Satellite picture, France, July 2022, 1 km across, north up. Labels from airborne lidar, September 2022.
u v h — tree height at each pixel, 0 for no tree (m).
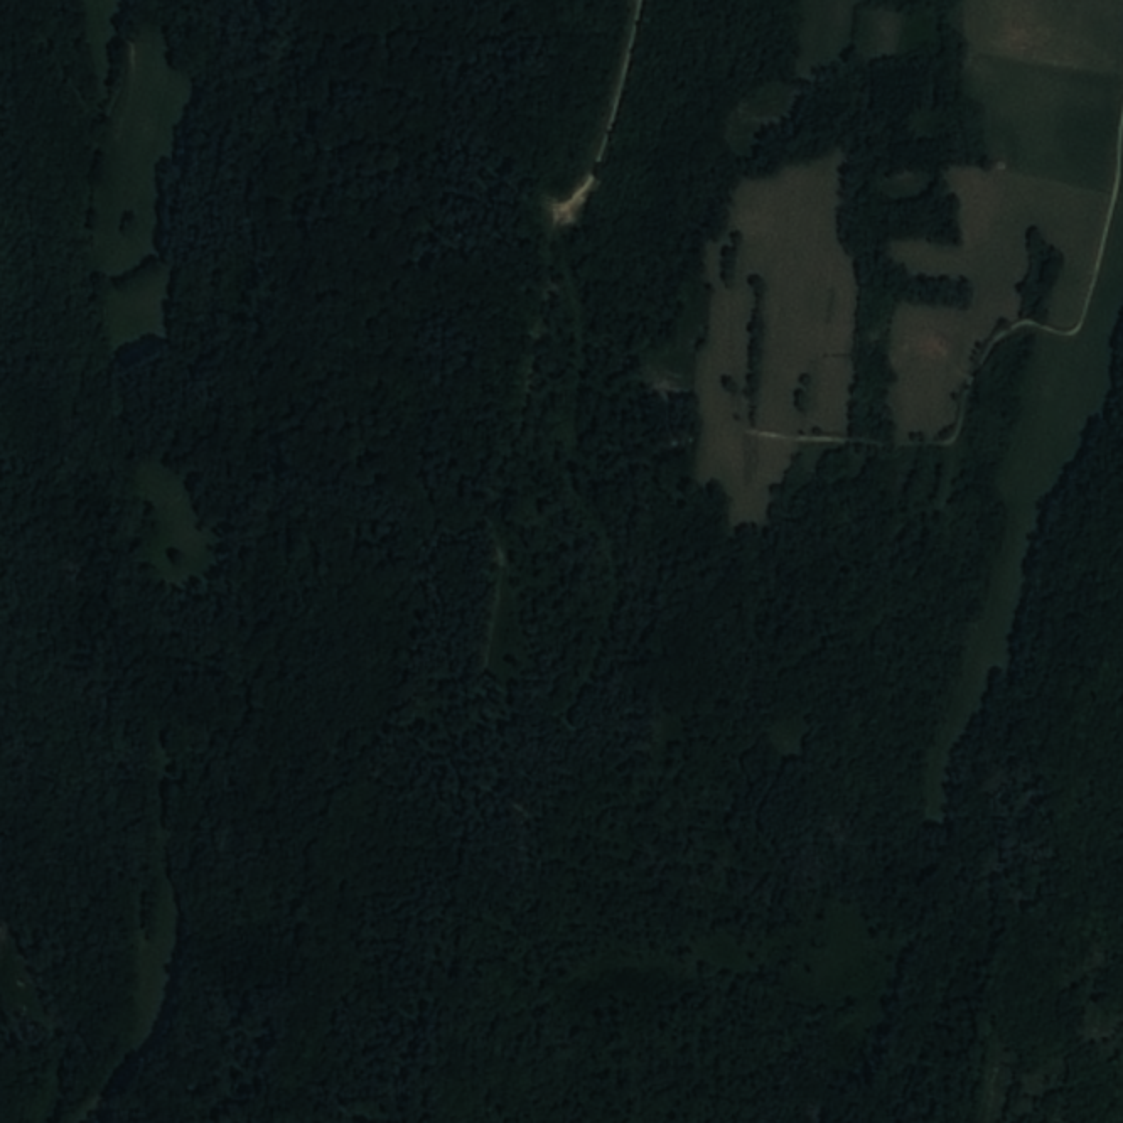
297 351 25
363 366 26
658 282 19
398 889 20
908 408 0
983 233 0
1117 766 23
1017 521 0
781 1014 7
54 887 23
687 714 24
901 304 13
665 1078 13
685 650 30
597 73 20
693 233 20
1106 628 17
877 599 15
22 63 17
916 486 17
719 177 21
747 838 19
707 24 12
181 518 0
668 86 10
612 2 10
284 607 14
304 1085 20
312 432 27
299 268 24
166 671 23
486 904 22
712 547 18
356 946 17
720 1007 16
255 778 26
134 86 0
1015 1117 8
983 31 0
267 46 27
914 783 13
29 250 9
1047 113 0
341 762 16
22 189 13
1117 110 0
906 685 11
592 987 7
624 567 6
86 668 20
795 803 24
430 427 21
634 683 22
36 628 18
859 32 6
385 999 22
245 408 24
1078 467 13
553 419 23
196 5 23
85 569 9
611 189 11
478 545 31
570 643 17
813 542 20
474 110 24
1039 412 0
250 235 26
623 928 17
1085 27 0
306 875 17
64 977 29
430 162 23
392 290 23
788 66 19
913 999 23
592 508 7
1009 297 0
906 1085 13
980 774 25
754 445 0
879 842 18
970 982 9
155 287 0
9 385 18
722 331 0
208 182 33
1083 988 15
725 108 19
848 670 14
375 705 14
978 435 7
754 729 19
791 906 11
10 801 20
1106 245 0
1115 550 13
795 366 0
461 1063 23
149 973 0
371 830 21
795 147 24
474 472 28
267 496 23
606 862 17
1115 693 17
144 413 31
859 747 16
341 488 36
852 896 21
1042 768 19
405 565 27
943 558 16
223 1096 27
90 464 22
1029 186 0
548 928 13
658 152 10
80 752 16
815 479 7
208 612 28
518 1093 19
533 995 25
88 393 18
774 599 12
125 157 0
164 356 35
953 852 25
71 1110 19
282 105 18
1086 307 0
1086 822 14
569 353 7
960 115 16
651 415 17
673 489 23
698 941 19
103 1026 25
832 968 0
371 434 29
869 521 19
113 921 27
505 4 20
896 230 20
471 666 22
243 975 17
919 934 11
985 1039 17
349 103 33
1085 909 18
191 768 19
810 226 0
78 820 18
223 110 27
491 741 25
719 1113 16
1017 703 19
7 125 9
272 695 20
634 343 19
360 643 17
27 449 15
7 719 18
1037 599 19
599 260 17
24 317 8
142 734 26
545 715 23
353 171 26
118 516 22
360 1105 27
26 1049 28
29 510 18
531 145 14
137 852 27
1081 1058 11
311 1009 25
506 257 23
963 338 0
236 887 22
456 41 22
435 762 30
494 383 19
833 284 0
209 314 15
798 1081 21
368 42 26
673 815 15
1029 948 16
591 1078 21
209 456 24
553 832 16
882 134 12
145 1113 27
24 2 14
